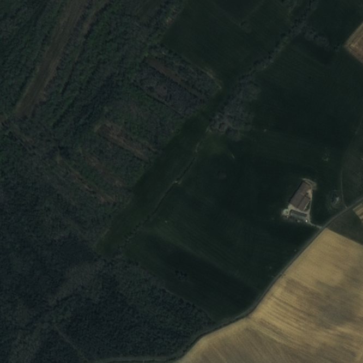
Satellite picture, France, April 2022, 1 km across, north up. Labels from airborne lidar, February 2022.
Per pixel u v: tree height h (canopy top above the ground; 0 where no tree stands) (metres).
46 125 26
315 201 0
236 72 0
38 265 19
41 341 19
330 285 0
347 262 0
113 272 18
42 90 0
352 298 0
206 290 0
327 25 0
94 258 20
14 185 16
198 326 21
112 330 24
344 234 0
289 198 0
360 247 0
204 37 0
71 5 0
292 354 0
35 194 12
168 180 0
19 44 16
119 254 14
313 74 0
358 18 0
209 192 0
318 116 0
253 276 0
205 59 0
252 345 0
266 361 0
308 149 0
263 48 0
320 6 0
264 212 0
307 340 0
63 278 26
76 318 14
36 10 9
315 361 0
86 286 20
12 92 26
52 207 25
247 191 0
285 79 0
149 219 12
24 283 22
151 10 0
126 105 27
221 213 0
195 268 0
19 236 21
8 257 21
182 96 19
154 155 23
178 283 0
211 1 0
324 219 0
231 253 0
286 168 0
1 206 23
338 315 0
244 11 0
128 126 22
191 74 24
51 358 20
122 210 15
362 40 0
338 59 0
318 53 0
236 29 0
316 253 0
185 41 0
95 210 25
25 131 29
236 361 0
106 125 29
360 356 0
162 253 0
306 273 0
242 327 0
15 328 24
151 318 15
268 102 0
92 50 25
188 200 0
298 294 0
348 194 0
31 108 0
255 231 0
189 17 0
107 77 22
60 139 23
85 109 23
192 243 0
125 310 24
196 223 0
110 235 0
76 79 12
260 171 0
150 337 24
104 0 0
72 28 0
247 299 0
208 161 0
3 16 14
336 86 0
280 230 0
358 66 0
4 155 22
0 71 22
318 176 0
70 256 23
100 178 23
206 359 0
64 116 0
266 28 0
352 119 0
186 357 0
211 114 0
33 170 25
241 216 0
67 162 25
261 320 0
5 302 17
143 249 0
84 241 23
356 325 0
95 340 24
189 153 0
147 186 0
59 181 22
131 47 28
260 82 0
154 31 26
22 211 23
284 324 0
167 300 20
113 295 16
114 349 20
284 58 0
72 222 22
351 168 0
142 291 10
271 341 0
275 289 0
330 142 0
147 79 11
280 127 0
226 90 0
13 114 27
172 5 21
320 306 0
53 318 18
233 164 0
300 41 0
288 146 0
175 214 0
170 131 28
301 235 0
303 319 0
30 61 24
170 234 0
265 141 0
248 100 22
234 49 0
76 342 21
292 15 0
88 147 27
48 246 20
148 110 27
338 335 0
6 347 25
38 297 22
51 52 0
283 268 0
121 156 24
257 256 0
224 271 0
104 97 21
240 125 24
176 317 14
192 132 0
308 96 0
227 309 0
